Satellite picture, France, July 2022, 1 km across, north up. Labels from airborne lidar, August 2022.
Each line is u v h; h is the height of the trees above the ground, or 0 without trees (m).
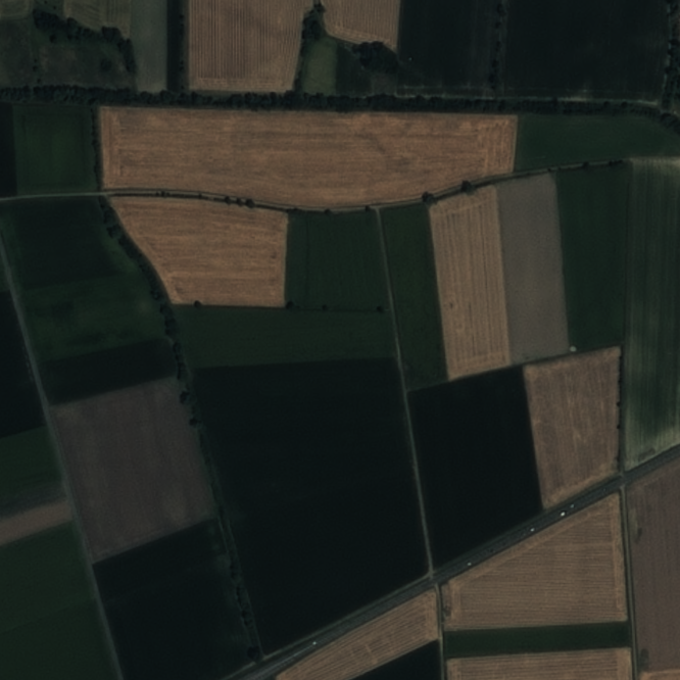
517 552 0
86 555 0
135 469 0
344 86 0
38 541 0
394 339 0
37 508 0
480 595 0
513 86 0
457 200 0
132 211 0
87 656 0
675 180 0
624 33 0
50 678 0
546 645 0
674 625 0
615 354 0
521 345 0
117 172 0
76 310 0
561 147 0
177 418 0
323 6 10
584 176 0
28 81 0
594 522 0
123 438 0
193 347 0
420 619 0
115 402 0
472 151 0
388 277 0
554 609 0
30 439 0
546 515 0
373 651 0
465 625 0
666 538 0
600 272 0
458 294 0
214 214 0
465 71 0
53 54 0
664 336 0
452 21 0
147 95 10
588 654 0
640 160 0
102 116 0
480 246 0
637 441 0
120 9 0
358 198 0
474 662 0
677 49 22
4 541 0
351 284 0
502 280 0
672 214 0
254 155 0
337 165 0
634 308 0
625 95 0
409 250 0
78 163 0
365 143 0
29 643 0
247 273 0
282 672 0
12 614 0
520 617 0
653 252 0
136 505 0
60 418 0
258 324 0
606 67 0
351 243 0
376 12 0
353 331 0
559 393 0
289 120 0
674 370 0
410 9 0
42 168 0
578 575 0
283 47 0
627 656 0
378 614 0
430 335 0
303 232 0
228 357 0
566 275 0
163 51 0
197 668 0
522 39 0
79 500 0
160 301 20
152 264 0
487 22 0
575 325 0
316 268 0
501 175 0
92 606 0
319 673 0
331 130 0
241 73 0
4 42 0
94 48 0
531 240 0
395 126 0
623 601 0
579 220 0
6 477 0
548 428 0
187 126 0
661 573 0
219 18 0
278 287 0
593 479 0
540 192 0
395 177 0
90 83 0
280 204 0
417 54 0
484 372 0
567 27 0
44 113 0
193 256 0
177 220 0
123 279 0
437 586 0
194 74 0
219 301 0
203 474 0
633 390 0
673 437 0
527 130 0
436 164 0
